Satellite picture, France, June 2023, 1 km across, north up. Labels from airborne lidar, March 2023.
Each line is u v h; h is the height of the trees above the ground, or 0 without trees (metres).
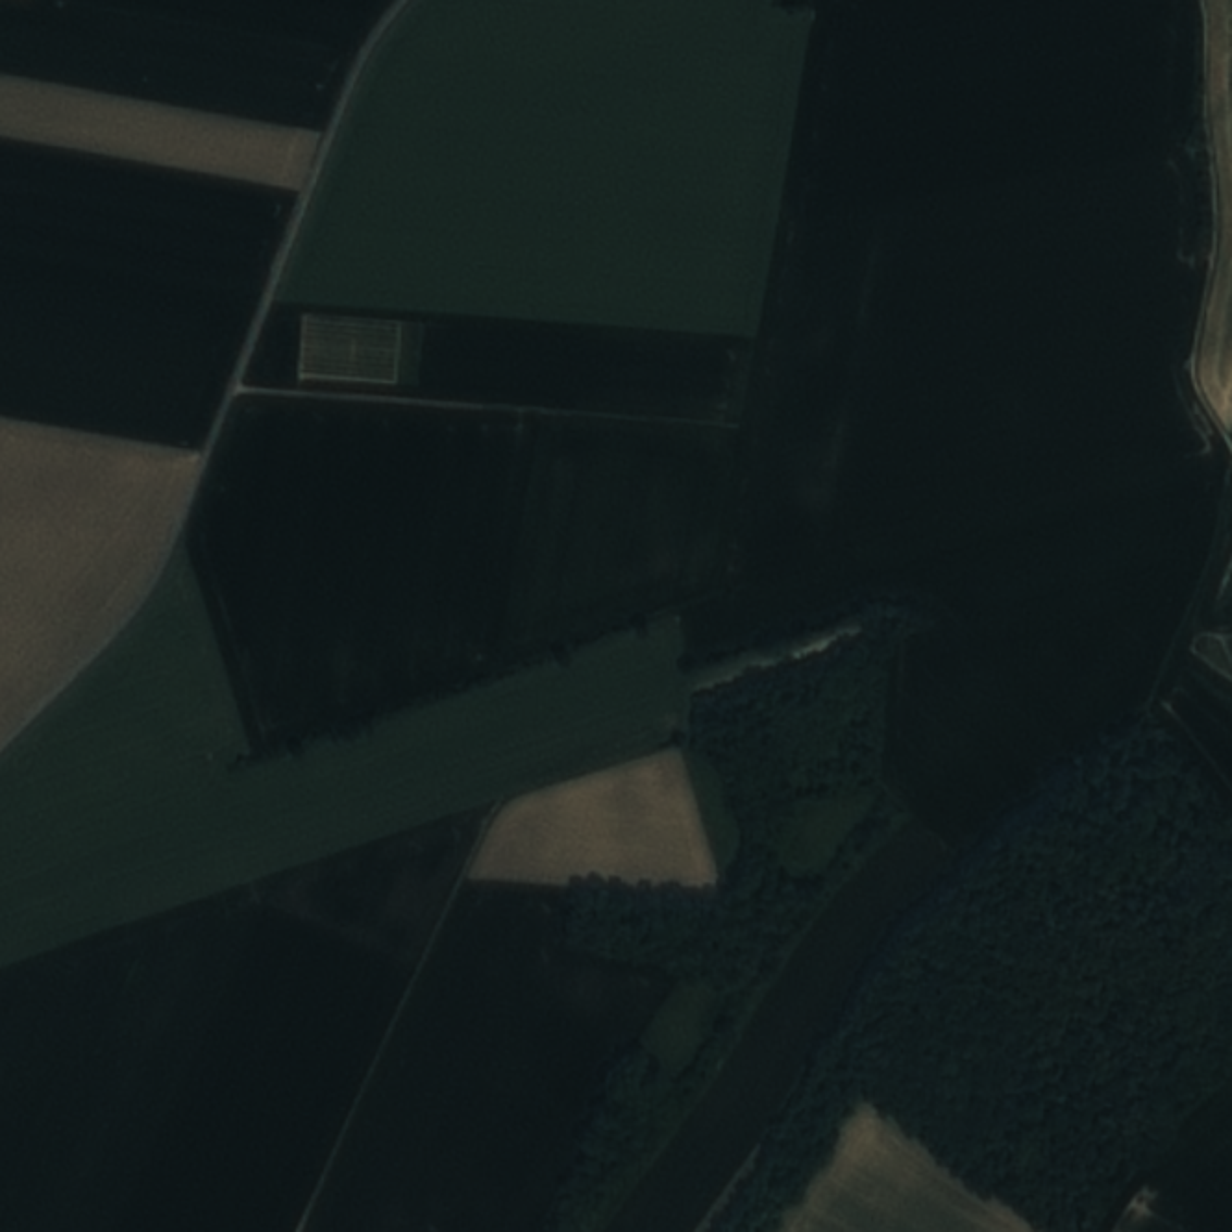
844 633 0
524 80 0
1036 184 0
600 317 0
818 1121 17
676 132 0
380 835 0
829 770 12
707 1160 0
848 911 0
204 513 0
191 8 0
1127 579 0
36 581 0
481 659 0
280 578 0
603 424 0
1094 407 0
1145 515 0
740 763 20
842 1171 0
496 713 0
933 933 20
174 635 0
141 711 0
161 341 0
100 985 0
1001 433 0
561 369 0
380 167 0
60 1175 0
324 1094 0
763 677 17
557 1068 0
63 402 0
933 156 0
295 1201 0
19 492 0
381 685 0
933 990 20
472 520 0
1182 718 0
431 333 0
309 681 0
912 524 0
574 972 0
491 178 0
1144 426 0
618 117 0
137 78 0
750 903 14
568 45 0
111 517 0
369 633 0
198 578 0
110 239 0
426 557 0
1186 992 26
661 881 0
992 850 20
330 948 0
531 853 0
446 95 0
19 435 0
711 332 0
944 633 0
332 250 0
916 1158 0
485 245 0
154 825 0
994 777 0
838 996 0
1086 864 24
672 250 0
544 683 0
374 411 0
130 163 0
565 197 0
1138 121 0
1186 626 0
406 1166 0
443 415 0
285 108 0
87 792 0
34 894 0
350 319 0
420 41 0
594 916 18
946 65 0
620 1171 10
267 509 0
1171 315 0
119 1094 0
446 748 0
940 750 0
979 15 0
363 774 0
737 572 0
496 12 0
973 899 22
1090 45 0
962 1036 21
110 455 0
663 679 0
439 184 0
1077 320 0
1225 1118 0
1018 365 0
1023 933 23
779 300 0
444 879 0
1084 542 0
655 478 0
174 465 0
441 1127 0
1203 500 0
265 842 0
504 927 0
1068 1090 24
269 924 0
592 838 0
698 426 0
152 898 0
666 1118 14
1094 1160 21
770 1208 14
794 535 0
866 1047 12
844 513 0
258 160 0
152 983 0
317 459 0
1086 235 0
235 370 0
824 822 0
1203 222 8
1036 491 0
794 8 8
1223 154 0
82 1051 0
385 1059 0
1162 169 0
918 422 0
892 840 0
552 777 0
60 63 0
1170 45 0
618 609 0
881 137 0
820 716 14
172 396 0
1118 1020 22
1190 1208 0
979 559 0
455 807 0
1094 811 26
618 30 0
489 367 0
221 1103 0
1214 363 0
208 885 0
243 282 0
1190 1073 22
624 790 0
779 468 0
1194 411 0
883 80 0
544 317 0
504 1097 0
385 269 0
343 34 0
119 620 0
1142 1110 24
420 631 0
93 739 0
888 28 0
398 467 0
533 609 0
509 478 0
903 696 0
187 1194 0
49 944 0
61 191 0
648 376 0
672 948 17
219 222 0
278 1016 0
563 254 0
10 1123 0
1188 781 22
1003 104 0
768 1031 0
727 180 0
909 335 0
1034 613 0
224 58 0
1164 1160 0
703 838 0
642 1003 0
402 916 0
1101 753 15
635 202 0
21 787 0
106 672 0
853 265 0
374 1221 0
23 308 0
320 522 0
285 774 0
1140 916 25
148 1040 0
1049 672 0
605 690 0
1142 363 0
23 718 0
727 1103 0
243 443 0
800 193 0
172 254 0
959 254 0
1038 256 0
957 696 0
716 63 0
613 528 0
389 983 0
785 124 0
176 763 0
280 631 0
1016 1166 20
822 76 0
